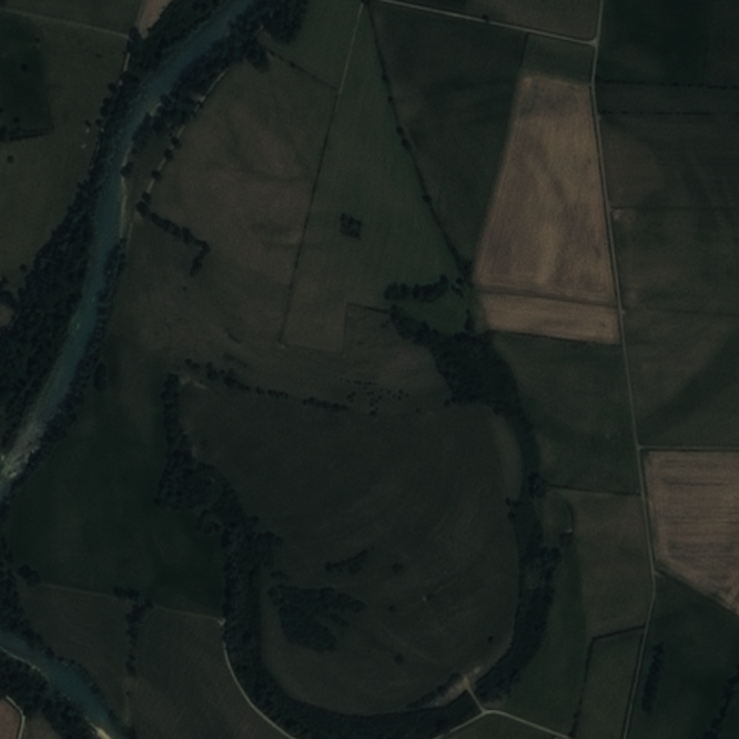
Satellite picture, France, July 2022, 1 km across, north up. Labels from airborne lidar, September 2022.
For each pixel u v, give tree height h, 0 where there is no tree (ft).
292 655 0
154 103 0
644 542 0
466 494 0
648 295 0
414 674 0
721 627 0
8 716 0
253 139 0
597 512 0
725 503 0
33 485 0
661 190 0
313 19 0
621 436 0
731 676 0
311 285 0
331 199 0
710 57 0
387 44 0
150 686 0
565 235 0
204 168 0
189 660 0
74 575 0
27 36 0
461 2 0
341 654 0
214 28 0
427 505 0
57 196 0
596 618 0
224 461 0
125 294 0
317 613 26
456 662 0
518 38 0
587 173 0
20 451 0
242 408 0
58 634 0
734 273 0
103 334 23
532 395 0
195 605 0
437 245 0
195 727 0
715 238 0
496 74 0
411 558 0
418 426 0
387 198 0
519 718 0
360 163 0
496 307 0
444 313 0
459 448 0
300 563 0
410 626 0
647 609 0
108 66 0
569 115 0
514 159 0
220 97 0
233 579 66
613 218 0
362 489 0
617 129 0
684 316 0
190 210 0
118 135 35
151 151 0
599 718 0
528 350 0
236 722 0
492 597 0
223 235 0
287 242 0
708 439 0
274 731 0
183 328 0
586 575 0
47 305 79
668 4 0
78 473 0
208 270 0
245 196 0
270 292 0
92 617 0
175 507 32
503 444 0
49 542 0
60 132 0
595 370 0
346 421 0
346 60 0
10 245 0
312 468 0
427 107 0
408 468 0
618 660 0
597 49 0
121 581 0
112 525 0
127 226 0
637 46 0
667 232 0
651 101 0
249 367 0
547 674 0
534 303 0
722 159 0
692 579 0
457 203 0
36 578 80
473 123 0
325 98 0
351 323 0
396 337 0
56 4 0
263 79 0
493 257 0
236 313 0
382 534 0
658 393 0
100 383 57
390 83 28
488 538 0
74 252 57
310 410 0
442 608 0
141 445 0
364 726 23
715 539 0
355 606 22
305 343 0
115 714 23
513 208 0
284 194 0
